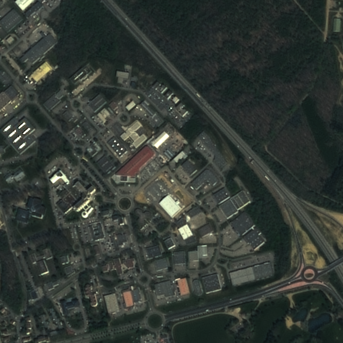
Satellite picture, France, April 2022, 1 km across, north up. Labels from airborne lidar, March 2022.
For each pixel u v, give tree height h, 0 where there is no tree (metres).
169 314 0
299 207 0
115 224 0
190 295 0
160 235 0
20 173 0
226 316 0
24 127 0
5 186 0
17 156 0
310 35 12
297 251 0
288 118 21
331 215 0
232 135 0
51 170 0
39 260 0
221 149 0
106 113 0
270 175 0
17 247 20
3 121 0
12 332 0
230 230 0
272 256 0
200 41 25
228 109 26
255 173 16
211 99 24
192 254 0
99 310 0
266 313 0
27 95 0
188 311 0
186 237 0
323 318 0
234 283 0
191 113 0
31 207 0
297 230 0
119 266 0
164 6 12
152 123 0
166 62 0
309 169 18
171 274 0
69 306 0
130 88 0
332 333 0
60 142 17
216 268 0
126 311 0
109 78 0
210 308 0
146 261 0
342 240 0
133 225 8
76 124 0
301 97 24
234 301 0
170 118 0
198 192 0
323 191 17
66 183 0
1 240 24
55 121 0
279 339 15
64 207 0
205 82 25
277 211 19
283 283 0
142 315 0
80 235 0
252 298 0
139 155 0
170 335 10
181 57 22
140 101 0
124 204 0
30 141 0
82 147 0
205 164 0
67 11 10
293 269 0
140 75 0
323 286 0
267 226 23
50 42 0
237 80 17
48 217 0
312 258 0
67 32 9
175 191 0
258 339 0
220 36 26
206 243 0
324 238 0
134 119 0
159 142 0
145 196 0
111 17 10
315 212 0
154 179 0
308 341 0
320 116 10
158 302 0
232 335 9
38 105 0
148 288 0
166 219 0
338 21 0
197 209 0
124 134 0
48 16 0
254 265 0
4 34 0
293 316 18
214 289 0
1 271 0
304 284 0
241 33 16
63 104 0
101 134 6
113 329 0
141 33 0
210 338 0
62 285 0
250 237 0
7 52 0
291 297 0
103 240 0
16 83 0
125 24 0
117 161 0
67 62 18
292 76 10
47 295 0
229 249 0
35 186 0
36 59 0
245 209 8
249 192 0
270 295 0
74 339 0
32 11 0
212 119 0
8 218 0
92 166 0
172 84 0
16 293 27
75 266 0
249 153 0
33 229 0
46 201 0
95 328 10
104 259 0
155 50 0
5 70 0
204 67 29
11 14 0
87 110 0
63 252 23
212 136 0
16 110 0
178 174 0
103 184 10
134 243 0
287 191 0
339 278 0
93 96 0
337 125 19
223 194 0
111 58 8
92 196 0
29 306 0
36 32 0
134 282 0
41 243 20
